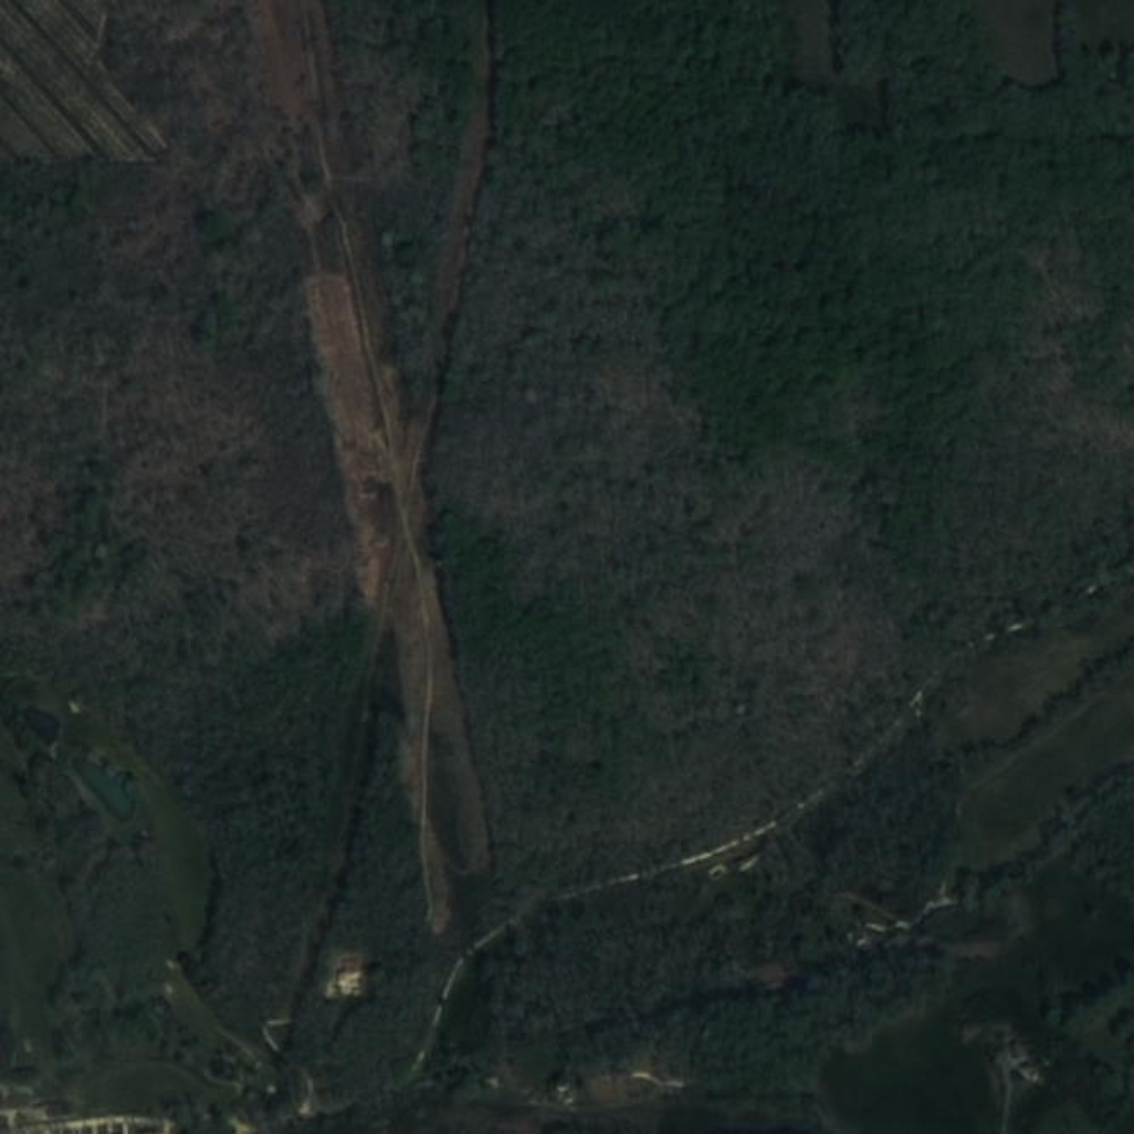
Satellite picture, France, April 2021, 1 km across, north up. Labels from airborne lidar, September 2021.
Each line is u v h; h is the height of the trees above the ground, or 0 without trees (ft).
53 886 0
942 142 85
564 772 73
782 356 88
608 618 64
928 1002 55
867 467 56
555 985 91
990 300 74
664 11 55
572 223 48
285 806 56
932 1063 0
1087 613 69
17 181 23
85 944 52
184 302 24
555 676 67
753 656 55
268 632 48
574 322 48
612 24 56
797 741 74
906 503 102
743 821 72
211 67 65
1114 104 86
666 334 58
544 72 74
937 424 73
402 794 67
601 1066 61
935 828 130
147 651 68
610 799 65
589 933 107
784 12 33
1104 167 73
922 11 75
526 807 49
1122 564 50
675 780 62
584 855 62
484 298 41
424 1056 111
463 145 35
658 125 74
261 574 55
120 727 63
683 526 40
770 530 64
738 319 81
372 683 0
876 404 77
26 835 0
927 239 78
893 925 0
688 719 48
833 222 66
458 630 65
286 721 63
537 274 37
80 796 70
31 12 0
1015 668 0
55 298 32
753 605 54
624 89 73
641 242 50
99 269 32
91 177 44
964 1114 0
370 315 28
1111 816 64
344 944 74
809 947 38
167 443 67
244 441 35
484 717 60
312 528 28
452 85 73
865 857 93
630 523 30
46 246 31
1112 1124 29
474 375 58
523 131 58
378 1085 60
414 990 68
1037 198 86
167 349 59
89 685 74
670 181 82
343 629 65
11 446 58
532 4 62
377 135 64
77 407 53
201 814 68
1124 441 64
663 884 62
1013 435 85
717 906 23
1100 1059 0
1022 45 0
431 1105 0
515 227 51
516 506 58
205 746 75
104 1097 0
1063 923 0
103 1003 84
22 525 55
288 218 31
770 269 82
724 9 51
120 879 61
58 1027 36
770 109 72
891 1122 0
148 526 31
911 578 79
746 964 25
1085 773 0
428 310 54
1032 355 60
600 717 52
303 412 46
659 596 45
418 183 40
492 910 34
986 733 0
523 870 43
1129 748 0
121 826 0
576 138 65
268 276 51
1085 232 73
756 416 83
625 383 59
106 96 0
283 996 49
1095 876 45
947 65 79
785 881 74
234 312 55
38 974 0
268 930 62
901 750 51
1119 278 55
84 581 48
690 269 69
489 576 59
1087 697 30
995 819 0
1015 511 67
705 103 58
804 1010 81
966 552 59
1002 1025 0
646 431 33
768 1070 70
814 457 67
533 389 38
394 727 84
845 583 23
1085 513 71
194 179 22
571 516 55
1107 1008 61
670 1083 51
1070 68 79
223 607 56
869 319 72
